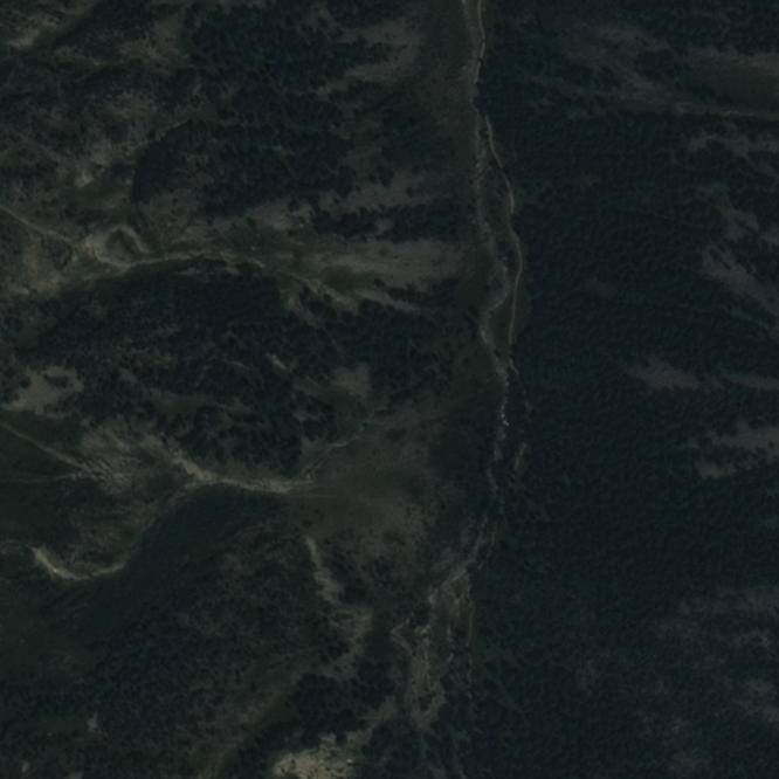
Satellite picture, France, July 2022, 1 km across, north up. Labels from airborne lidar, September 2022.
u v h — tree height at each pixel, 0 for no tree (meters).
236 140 29
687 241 28
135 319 13
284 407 22
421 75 0
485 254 0
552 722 29
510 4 17
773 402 14
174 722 10
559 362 10
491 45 0
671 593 11
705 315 20
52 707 10
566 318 24
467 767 23
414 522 0
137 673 12
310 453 0
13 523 0
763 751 10
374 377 7
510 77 17
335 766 0
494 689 30
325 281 0
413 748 9
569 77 21
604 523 25
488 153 0
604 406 23
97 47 11
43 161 0
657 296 24
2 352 0
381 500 0
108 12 10
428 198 0
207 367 9
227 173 21
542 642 22
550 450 12
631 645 11
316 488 0
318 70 31
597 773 9
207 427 6
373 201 0
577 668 6
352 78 0
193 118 0
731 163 12
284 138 14
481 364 0
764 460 10
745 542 20
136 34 12
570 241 29
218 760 6
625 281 23
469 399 0
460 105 0
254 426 12
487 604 11
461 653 9
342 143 21
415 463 0
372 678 16
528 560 10
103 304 8
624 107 0
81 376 8
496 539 0
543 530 22
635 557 21
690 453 7
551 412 11
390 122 18
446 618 0
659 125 20
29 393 0
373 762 8
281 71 32
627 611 10
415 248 0
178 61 0
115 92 13
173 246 0
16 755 9
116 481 0
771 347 13
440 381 6
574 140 25
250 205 23
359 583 12
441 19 0
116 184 0
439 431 0
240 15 28
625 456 23
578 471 24
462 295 0
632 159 19
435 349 0
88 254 0
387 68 0
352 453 0
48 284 0
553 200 6
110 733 10
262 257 0
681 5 19
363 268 0
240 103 26
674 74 21
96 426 7
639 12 26
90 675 8
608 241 23
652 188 8
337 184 17
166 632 10
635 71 0
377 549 0
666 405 18
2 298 0
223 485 0
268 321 9
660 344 23
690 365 26
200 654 11
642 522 31
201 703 8
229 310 20
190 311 14
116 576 0
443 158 8
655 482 11
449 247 0
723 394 16
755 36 19
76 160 7
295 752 8
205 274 6
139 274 0
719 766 13
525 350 12
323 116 28
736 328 16
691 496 16
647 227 27
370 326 29
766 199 18
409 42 0
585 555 29
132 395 13
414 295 16
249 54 35
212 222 6
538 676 30
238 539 7
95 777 7
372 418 0
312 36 18
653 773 14
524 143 20
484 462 16
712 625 11
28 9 6
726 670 7
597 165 14
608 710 27
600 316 24
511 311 0
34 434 0
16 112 8
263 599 7
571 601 15
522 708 27
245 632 8
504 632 19
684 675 8
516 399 18
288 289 0
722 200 0
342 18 21
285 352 13
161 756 6
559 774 13
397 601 6
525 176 11
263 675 0
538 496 13
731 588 8
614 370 20
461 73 0
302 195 15
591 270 25
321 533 0
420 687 0
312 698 22
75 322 19
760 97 0
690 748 9
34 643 0
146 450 0
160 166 10
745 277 0
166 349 17
